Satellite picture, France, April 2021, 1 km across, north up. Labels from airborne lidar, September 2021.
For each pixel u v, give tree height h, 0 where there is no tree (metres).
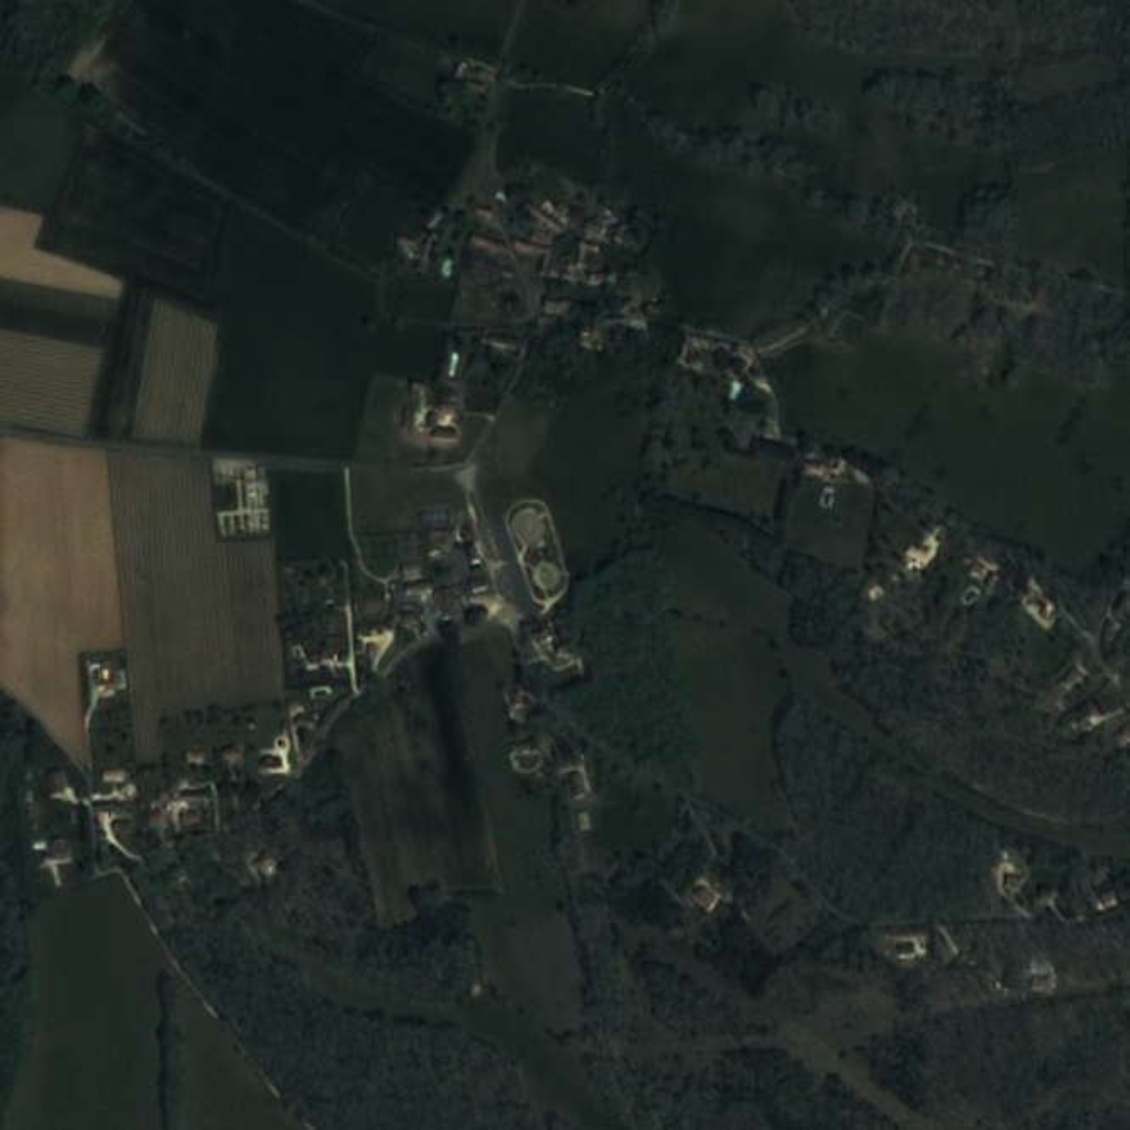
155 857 16
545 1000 0
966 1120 20
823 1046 0
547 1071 0
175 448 0
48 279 0
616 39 0
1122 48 10
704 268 0
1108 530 0
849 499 0
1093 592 21
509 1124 20
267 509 0
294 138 0
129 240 0
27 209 0
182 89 0
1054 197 0
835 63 0
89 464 0
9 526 0
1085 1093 13
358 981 20
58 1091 0
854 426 0
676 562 0
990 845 16
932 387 0
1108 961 11
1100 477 0
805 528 0
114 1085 0
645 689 25
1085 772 15
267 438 0
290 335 0
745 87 0
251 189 0
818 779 18
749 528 18
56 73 9
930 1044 17
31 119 0
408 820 0
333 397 0
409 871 0
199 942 16
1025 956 14
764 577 7
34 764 7
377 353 0
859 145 0
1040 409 0
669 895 11
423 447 0
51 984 0
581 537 0
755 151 14
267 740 0
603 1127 0
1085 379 21
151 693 0
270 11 0
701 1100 15
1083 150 18
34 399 0
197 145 0
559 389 0
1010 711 10
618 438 0
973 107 19
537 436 0
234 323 0
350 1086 21
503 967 0
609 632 25
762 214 0
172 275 0
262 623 0
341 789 8
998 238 24
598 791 9
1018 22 18
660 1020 12
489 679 0
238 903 19
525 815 0
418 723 11
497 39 0
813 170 12
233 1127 0
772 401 11
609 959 13
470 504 0
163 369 0
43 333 0
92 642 0
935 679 18
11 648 0
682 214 0
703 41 0
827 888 20
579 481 0
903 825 13
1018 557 14
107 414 0
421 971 17
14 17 12
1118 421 0
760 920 0
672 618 9
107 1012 0
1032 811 20
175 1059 18
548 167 0
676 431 11
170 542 0
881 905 20
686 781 17
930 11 14
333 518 0
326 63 0
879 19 16
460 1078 16
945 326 0
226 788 8
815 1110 6
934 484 0
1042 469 0
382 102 0
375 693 14
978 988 16
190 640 0
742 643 0
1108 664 14
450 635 17
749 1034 7
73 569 0
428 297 0
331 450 0
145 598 0
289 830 8
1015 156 17
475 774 0
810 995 0
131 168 0
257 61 0
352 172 0
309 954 21
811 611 7
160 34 0
